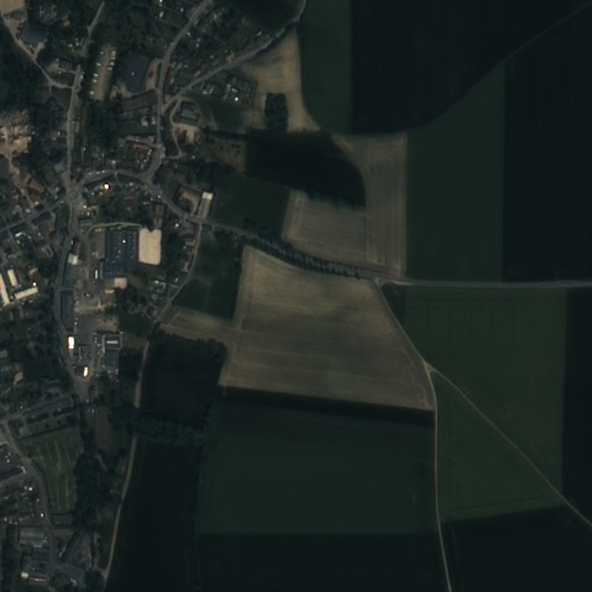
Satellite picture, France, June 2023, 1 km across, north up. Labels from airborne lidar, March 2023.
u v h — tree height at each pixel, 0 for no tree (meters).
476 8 0
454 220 0
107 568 0
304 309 0
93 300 0
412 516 0
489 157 0
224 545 0
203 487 0
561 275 0
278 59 0
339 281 0
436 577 0
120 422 32
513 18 0
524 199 0
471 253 0
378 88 0
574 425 0
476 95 0
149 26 9
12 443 0
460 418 0
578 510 0
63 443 0
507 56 0
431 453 0
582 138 0
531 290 0
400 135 0
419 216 0
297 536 0
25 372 0
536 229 0
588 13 0
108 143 7
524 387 0
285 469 0
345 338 0
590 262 0
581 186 0
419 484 0
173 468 0
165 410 0
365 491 0
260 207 0
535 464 0
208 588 0
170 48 0
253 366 0
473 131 0
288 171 0
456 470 0
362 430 0
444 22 0
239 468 0
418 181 0
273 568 0
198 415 0
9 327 13
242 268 8
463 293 0
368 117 0
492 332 0
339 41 0
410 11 0
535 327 0
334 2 0
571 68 0
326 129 0
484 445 0
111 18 0
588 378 0
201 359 0
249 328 0
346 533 0
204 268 0
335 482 0
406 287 0
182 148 0
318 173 0
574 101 0
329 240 0
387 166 0
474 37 0
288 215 0
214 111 0
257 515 0
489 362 0
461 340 0
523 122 0
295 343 0
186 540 0
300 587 0
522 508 0
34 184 0
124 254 0
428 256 0
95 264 0
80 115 0
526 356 0
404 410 0
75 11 16
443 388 0
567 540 0
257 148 0
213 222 0
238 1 0
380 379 0
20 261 0
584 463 0
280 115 8
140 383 0
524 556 0
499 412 0
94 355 0
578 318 0
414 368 0
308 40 0
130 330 0
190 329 0
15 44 0
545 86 0
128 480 0
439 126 0
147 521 0
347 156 0
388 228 0
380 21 0
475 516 0
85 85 14
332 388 0
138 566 0
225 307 0
